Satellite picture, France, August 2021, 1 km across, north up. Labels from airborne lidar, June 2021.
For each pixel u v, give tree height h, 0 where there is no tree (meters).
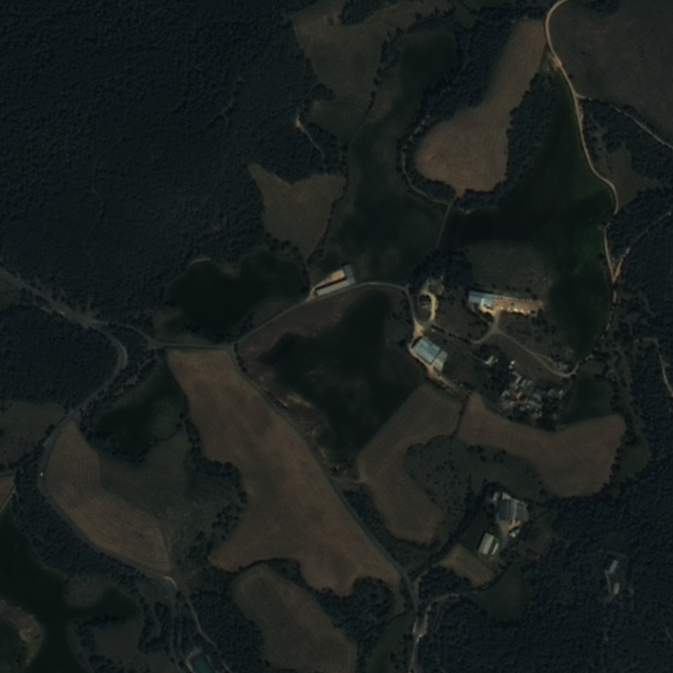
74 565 10
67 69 13
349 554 0
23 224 13
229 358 0
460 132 0
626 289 7
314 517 0
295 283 0
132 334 8
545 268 0
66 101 16
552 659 11
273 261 0
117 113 15
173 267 17
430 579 8
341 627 7
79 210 12
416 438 0
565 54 0
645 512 15
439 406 0
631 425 10
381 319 0
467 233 0
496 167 0
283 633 0
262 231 15
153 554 0
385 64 15
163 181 12
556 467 0
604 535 12
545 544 0
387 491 0
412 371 0
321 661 0
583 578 12
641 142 9
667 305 6
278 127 14
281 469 0
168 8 7
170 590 0
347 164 13
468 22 0
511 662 11
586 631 15
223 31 10
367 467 0
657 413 11
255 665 19
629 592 8
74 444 0
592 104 10
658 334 11
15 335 10
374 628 9
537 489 0
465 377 0
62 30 13
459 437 0
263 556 0
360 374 0
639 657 8
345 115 0
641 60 0
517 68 0
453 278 13
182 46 16
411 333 0
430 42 0
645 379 9
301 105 12
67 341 13
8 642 0
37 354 14
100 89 13
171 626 15
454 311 0
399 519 0
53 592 0
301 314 0
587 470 0
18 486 13
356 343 0
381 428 0
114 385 8
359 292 0
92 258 11
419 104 0
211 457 0
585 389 0
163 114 17
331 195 0
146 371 12
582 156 0
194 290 0
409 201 0
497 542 0
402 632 0
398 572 0
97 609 0
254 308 0
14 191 9
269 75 11
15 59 16
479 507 10
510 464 0
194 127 16
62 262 12
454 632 7
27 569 0
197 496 0
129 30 12
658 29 0
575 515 15
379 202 0
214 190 9
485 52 17
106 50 10
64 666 0
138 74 14
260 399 0
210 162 11
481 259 0
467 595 10
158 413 0
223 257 8
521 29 0
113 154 13
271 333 0
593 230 0
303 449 0
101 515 0
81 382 15
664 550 12
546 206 0
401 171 12
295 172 16
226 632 14
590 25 0
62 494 0
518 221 0
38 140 9
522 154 13
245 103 11
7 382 13
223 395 0
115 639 0
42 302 13
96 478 0
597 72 0
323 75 0
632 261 8
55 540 8
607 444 0
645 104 0
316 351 0
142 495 0
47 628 0
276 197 0
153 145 15
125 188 11
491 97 0
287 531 0
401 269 0
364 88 0
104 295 13
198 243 17
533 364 0
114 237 14
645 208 8
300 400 0
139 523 0
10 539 0
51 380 13
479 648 10
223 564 0
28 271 13
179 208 7
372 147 0
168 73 19
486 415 0
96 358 15
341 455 0
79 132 6
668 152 9
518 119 10
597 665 11
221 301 0
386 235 0
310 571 0
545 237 0
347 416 0
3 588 0
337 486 0
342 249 0
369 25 0
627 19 0
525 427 0
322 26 0
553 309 0
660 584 11
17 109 9
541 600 8
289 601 0
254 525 0
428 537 0
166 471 0
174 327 0
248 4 20
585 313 0
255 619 0
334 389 0
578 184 0
